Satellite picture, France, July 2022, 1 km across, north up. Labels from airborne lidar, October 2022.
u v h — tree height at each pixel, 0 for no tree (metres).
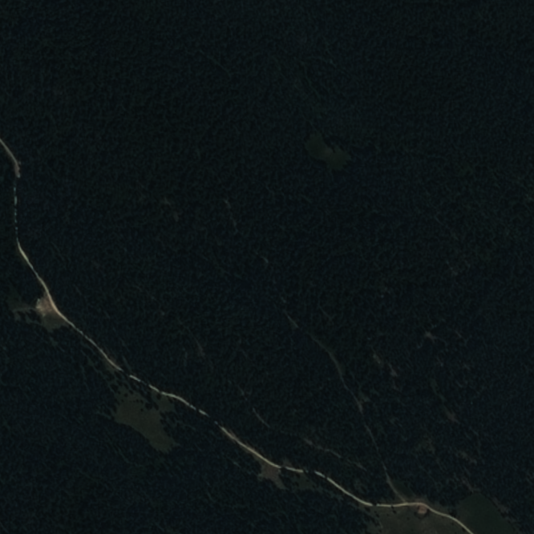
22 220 15
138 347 17
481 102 18
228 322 16
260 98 11
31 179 16
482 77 17
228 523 29
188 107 19
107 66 14
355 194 26
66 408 8
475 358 23
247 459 16
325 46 19
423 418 26
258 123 15
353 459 6
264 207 21
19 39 17
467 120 19
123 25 17
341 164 0
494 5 23
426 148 6
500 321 22
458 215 15
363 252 11
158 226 23
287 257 13
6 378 23
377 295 30
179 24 22
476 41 24
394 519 0
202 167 17
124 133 16
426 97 23
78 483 7
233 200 23
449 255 27
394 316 30
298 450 14
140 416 0
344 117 20
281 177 19
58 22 20
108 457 18
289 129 18
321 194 21
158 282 22
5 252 15
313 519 8
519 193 13
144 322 12
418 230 20
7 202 9
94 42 15
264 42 27
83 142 15
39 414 26
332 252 13
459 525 0
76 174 23
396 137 12
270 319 24
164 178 13
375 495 18
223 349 17
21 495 19
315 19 23
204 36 25
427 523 0
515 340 23
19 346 23
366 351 23
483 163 11
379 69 25
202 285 23
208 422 12
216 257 16
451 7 16
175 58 25
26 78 15
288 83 8
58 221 26
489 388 19
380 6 20
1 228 7
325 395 10
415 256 20
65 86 12
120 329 25
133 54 14
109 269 17
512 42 18
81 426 24
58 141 9
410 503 0
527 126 21
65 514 18
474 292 22
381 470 15
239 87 15
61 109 19
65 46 12
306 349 28
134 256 21
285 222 26
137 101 15
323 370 23
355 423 25
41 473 7
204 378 17
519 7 24
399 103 22
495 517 0
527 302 23
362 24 23
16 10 12
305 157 6
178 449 10
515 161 9
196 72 16
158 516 20
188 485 24
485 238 12
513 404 20
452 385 6
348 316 22
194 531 12
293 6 25
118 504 24
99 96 16
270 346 19
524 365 7
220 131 13
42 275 10
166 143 12
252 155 24
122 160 23
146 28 11
